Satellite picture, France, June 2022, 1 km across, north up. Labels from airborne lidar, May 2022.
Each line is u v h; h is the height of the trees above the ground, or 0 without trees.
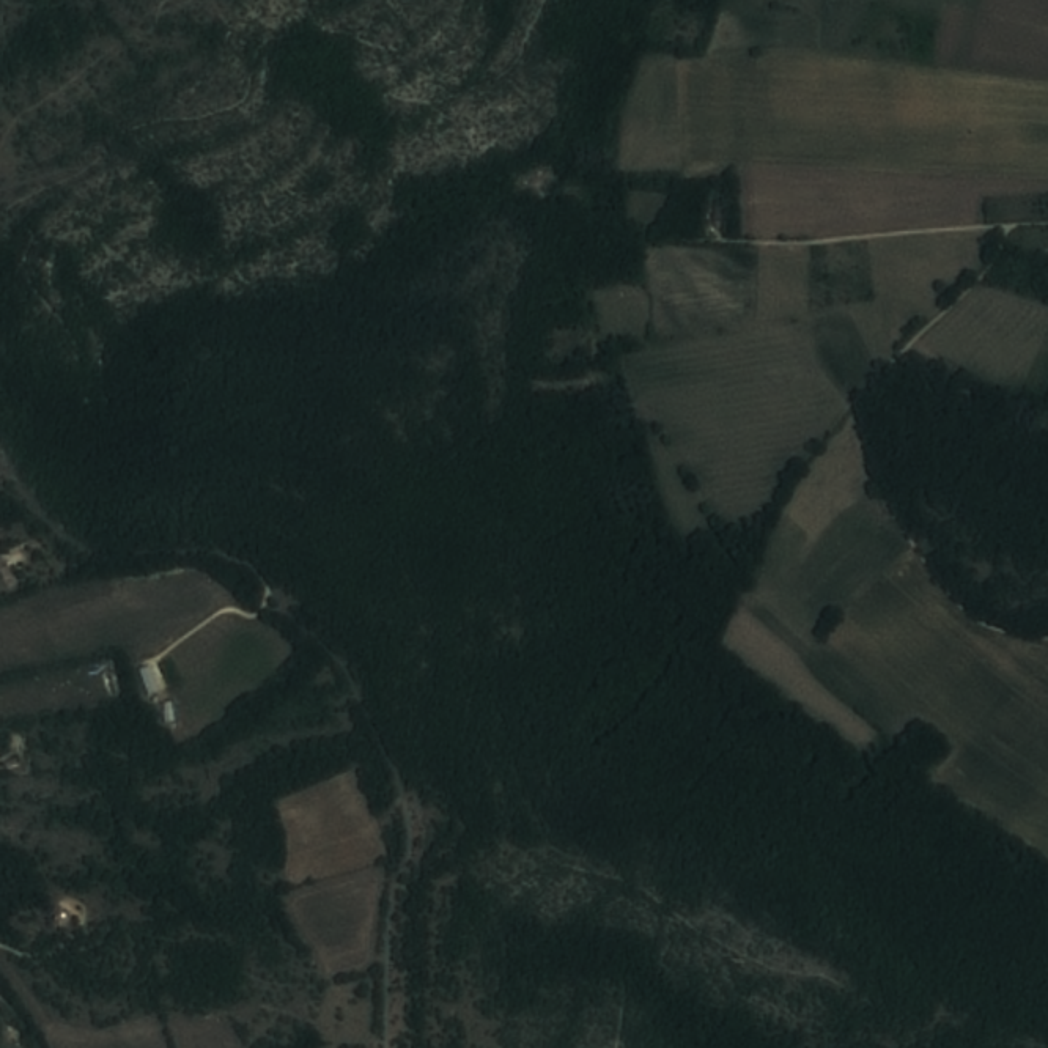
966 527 6
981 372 0
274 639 0
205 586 0
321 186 6
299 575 11
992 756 0
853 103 0
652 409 0
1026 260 6
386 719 8
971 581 7
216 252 6
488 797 11
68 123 6
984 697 0
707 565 22
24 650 0
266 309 9
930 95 0
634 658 12
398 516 11
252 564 10
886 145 0
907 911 12
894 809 17
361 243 9
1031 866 19
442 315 8
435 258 7
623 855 10
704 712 21
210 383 8
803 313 0
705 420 0
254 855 7
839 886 10
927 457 17
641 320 0
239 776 12
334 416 9
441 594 13
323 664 10
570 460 18
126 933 6
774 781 22
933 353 0
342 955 0
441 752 12
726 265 0
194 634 0
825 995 8
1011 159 0
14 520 7
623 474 18
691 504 0
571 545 20
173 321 15
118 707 9
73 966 10
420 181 6
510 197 9
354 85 12
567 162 10
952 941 13
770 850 11
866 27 0
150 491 8
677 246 11
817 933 9
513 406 12
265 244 6
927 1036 6
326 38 8
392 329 8
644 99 0
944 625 0
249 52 10
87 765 7
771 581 0
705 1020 11
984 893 19
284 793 8
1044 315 0
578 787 13
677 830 14
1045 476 16
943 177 0
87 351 9
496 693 12
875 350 0
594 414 22
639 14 15
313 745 12
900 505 9
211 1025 0
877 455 14
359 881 0
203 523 8
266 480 10
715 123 0
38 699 0
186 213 12
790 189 0
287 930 10
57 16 6
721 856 12
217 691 0
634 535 9
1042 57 0
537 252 10
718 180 12
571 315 17
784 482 16
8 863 14
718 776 21
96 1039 0
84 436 10
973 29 0
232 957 7
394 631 9
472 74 7
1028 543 15
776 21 0
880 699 0
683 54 11
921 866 15
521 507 12
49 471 7
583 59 10
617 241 17
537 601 14
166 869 6
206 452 12
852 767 20
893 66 0
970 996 7
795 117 0
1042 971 12
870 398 20
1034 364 0
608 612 23
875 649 0
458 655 7
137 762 9
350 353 8
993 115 0
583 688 16
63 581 8
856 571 0
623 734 19
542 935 12
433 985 7
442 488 15
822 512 0
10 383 10
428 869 9
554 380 17
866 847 17
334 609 10
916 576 0
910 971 10
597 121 10
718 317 0
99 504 10
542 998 6
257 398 9
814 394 0
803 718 14
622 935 9
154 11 0
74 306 6
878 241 0
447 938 7
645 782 15
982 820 22
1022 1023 10
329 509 7
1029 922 17
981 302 0
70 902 0
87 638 0
